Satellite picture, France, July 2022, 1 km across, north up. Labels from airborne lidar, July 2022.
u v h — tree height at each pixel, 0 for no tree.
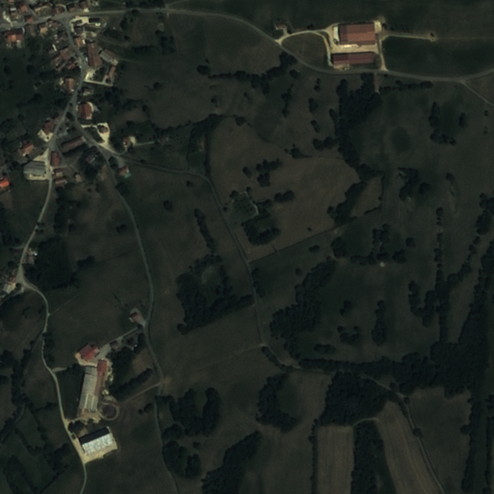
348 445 0
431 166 0
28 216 0
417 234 0
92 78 0
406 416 11
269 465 0
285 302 0
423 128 0
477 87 0
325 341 0
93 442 0
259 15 0
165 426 0
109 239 0
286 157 0
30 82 0
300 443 0
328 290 0
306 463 0
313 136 0
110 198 0
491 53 0
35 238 0
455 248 0
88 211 0
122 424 0
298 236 0
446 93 0
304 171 0
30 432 0
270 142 0
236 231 0
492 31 0
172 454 18
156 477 0
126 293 0
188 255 0
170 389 0
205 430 18
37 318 0
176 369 0
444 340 13
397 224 0
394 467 0
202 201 0
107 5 0
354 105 19
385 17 0
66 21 0
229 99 0
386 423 0
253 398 0
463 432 13
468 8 0
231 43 0
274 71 15
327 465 0
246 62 0
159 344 0
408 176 10
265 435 0
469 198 0
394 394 12
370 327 0
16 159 0
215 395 25
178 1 0
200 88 0
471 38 0
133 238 0
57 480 12
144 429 0
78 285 11
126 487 0
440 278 15
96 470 0
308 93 0
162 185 0
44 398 0
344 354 0
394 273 0
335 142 15
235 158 0
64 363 0
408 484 0
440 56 0
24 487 0
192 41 0
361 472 15
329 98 0
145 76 0
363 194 0
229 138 0
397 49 0
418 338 0
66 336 0
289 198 14
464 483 12
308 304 15
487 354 17
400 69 0
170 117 0
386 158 0
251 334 0
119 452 0
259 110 0
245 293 0
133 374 0
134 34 0
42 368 0
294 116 0
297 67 0
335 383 18
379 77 0
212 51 0
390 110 0
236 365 0
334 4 0
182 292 8
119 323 0
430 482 0
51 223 0
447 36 0
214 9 0
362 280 0
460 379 15
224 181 0
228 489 20
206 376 0
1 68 0
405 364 15
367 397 17
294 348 22
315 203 0
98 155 8
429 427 0
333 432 0
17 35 0
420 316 14
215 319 10
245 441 14
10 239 16
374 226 0
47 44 0
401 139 0
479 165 0
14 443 0
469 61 0
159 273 0
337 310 0
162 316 0
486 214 14
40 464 0
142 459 0
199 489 0
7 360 19
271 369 0
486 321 22
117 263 0
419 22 0
